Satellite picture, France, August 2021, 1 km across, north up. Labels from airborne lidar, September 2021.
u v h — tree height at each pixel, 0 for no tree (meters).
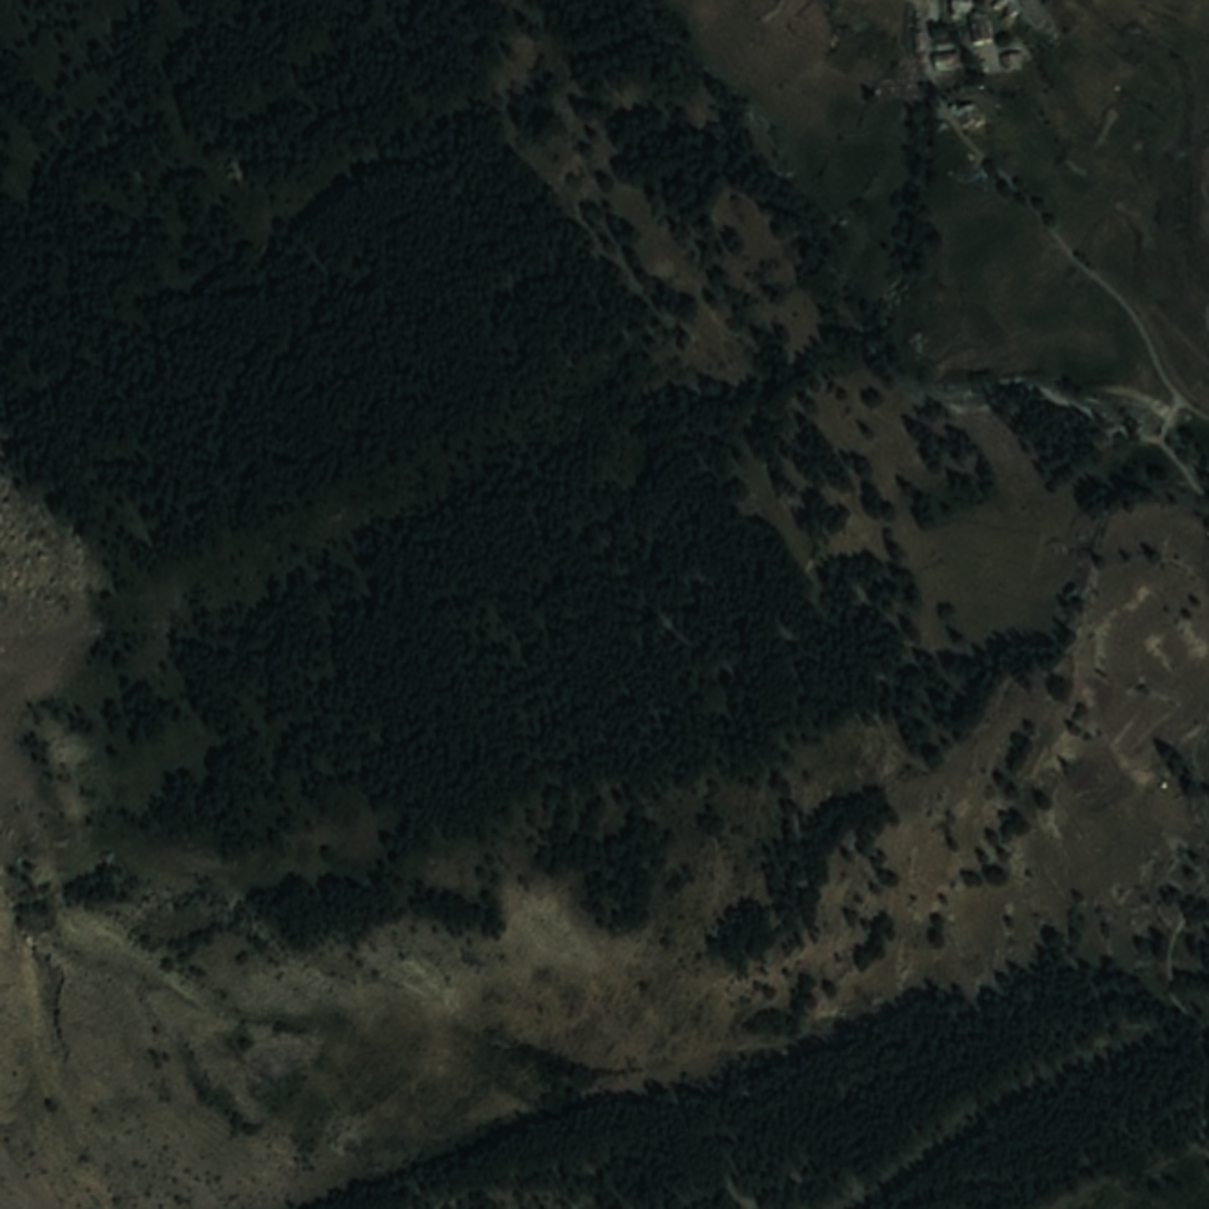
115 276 24
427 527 20
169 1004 0
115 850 0
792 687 21
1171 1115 19
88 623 0
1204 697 0
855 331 8
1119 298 0
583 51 26
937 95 13
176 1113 0
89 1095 0
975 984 0
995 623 0
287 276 21
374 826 0
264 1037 0
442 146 27
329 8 26
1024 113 0
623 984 0
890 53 0
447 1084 0
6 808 0
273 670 19
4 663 0
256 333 26
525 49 0
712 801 6
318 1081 0
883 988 0
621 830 0
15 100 15
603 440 9
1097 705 0
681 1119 23
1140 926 0
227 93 24
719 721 9
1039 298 0
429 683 26
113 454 9
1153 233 0
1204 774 0
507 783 22
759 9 0
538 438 10
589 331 27
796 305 0
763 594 29
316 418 27
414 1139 0
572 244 30
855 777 0
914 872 0
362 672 25
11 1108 0
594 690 29
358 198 29
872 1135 25
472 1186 17
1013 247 0
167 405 20
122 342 22
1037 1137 24
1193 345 0
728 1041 0
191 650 14
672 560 25
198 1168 0
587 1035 0
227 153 20
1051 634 0
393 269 25
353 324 24
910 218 12
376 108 25
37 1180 0
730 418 24
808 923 15
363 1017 0
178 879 0
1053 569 0
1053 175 0
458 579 27
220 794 20
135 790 0
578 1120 20
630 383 17
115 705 11
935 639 0
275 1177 0
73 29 8
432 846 18
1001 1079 24
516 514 20
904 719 23
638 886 21
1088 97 0
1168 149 0
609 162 0
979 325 0
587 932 0
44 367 25
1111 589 0
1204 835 0
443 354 32
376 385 28
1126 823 0
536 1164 21
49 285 14
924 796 0
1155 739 0
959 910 0
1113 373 0
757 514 0
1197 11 0
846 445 0
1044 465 6
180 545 17
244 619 6
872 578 23
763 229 0
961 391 0
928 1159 0
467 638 18
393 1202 14
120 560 9
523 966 0
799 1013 21
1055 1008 17
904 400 0
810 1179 24
